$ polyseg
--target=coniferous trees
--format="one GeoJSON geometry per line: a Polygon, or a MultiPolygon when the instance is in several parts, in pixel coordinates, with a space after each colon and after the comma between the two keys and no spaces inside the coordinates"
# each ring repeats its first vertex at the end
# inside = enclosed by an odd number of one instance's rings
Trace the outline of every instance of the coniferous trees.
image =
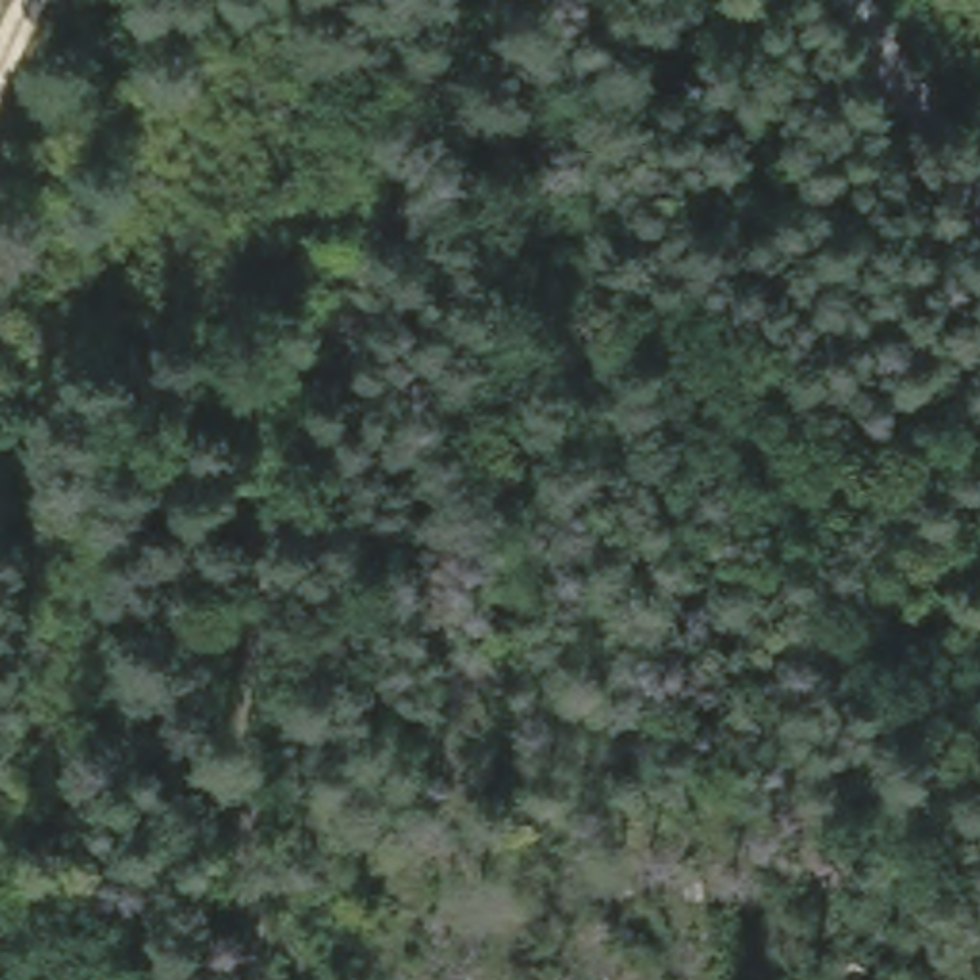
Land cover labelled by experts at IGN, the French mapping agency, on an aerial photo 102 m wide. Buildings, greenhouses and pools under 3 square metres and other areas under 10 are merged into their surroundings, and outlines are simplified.
{"type": "Polygon", "coordinates": [[[731,854],[746,880],[758,880],[766,865],[792,877],[819,877],[823,869],[873,873],[888,888],[903,892],[911,911],[923,919],[919,949],[926,949],[938,972],[980,972],[980,130],[942,126],[938,111],[915,103],[900,88],[900,80],[884,73],[873,27],[850,19],[846,0],[19,0],[27,19],[34,23],[34,34],[0,92],[0,980],[283,980],[283,972],[256,949],[256,934],[249,923],[249,903],[260,892],[268,892],[272,880],[322,877],[329,854],[368,854],[375,869],[390,854],[413,850],[413,831],[406,827],[410,815],[425,812],[433,819],[448,792],[463,792],[471,804],[479,804],[486,823],[505,823],[517,796],[559,800],[563,812],[605,819],[613,808],[624,808],[624,789],[639,777],[639,769],[655,777],[658,789],[716,792],[727,808],[735,808],[739,838],[731,854]],[[704,402],[693,390],[681,387],[689,371],[720,364],[720,356],[735,345],[758,345],[762,352],[796,360],[792,371],[785,371],[781,383],[762,394],[762,406],[750,413],[750,421],[758,429],[769,429],[769,421],[781,417],[789,444],[835,448],[850,459],[827,471],[815,486],[804,486],[792,501],[815,509],[842,490],[854,505],[869,505],[884,521],[884,544],[873,555],[880,574],[880,582],[873,582],[877,601],[865,601],[858,616],[850,609],[827,613],[812,590],[800,590],[789,578],[773,574],[766,555],[769,540],[743,536],[735,521],[724,513],[731,509],[731,494],[739,490],[781,490],[781,475],[769,471],[758,444],[739,440],[720,417],[704,413],[704,402]],[[234,360],[256,356],[283,364],[299,379],[299,390],[279,406],[260,406],[249,413],[234,413],[214,387],[191,383],[188,371],[195,364],[226,371],[234,360]],[[896,731],[873,731],[873,704],[842,681],[846,674],[838,658],[854,651],[865,651],[869,662],[892,678],[923,681],[934,674],[949,701],[911,724],[900,724],[896,731]]]}

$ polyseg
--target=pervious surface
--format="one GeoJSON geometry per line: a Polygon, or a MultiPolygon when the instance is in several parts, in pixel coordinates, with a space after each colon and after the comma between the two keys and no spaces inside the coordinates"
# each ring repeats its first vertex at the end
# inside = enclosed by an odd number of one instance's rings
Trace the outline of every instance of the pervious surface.
{"type": "Polygon", "coordinates": [[[34,34],[34,23],[27,19],[19,0],[0,0],[0,92],[34,34]]]}

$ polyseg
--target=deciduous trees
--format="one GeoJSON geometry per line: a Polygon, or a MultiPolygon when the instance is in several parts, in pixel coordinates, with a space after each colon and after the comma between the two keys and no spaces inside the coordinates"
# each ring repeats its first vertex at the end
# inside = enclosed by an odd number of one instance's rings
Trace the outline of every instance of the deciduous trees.
{"type": "Polygon", "coordinates": [[[965,38],[957,46],[957,61],[980,57],[980,0],[900,0],[892,8],[896,19],[915,19],[930,31],[946,27],[953,38],[965,38]]]}
{"type": "Polygon", "coordinates": [[[949,701],[934,674],[923,681],[892,678],[869,662],[865,651],[854,651],[838,658],[846,674],[842,681],[873,704],[873,731],[896,731],[900,724],[911,724],[949,701]]]}
{"type": "Polygon", "coordinates": [[[559,800],[517,796],[505,823],[486,823],[479,804],[471,804],[463,792],[448,792],[433,819],[425,812],[410,815],[406,827],[413,831],[413,850],[390,854],[375,869],[368,854],[329,854],[322,877],[272,880],[268,892],[260,892],[249,903],[249,923],[256,934],[256,949],[283,972],[283,980],[980,980],[980,972],[938,972],[926,949],[919,949],[923,919],[911,911],[903,892],[888,888],[873,873],[823,869],[819,877],[792,877],[766,865],[758,880],[746,880],[731,854],[739,838],[735,808],[727,808],[716,792],[658,789],[655,777],[639,769],[639,777],[624,789],[624,808],[613,808],[605,819],[563,812],[559,800]]]}
{"type": "Polygon", "coordinates": [[[299,379],[283,364],[256,356],[234,360],[226,371],[195,364],[188,371],[191,383],[214,387],[234,413],[249,413],[260,406],[279,406],[299,390],[299,379]]]}
{"type": "Polygon", "coordinates": [[[693,390],[704,402],[704,413],[720,417],[739,440],[758,444],[769,471],[781,475],[781,490],[739,490],[731,494],[731,509],[724,513],[735,521],[743,536],[769,540],[766,555],[773,574],[789,578],[800,590],[812,590],[827,613],[850,609],[858,616],[865,601],[877,601],[873,582],[880,582],[880,574],[873,555],[884,544],[884,521],[869,505],[854,505],[842,490],[815,509],[792,501],[804,486],[815,486],[827,471],[850,459],[835,448],[789,444],[781,417],[769,421],[769,429],[758,429],[750,421],[750,413],[762,406],[762,394],[781,383],[785,371],[792,371],[796,360],[762,352],[758,345],[735,345],[720,356],[720,364],[689,371],[681,387],[693,390]]]}

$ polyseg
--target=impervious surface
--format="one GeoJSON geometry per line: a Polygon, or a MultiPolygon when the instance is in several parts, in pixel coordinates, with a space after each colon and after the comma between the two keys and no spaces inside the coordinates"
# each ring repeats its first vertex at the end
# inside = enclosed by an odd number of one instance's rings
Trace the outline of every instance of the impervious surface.
{"type": "Polygon", "coordinates": [[[915,103],[938,111],[942,126],[980,130],[980,57],[957,61],[957,46],[965,38],[953,38],[946,27],[930,31],[915,19],[896,19],[892,8],[900,0],[846,0],[850,19],[873,27],[884,73],[900,80],[900,88],[915,103]]]}

